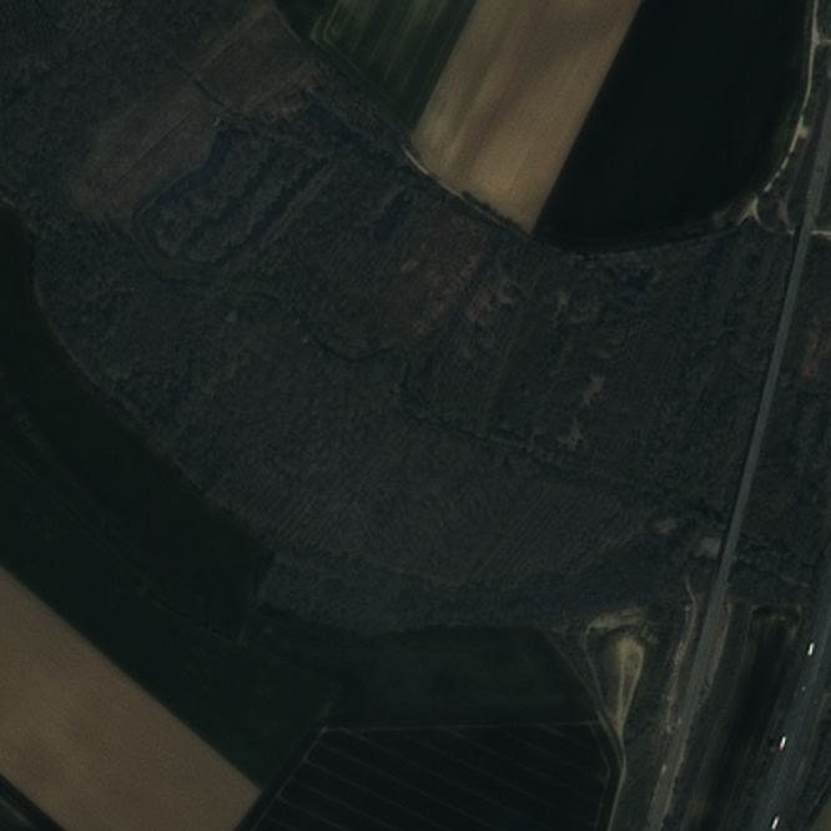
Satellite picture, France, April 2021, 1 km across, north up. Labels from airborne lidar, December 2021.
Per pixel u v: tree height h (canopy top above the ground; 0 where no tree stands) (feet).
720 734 0
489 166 0
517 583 88
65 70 86
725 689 0
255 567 0
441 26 0
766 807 0
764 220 43
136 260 75
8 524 0
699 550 0
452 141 0
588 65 0
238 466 94
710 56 0
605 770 0
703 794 0
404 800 0
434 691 0
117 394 24
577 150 0
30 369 0
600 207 0
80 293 37
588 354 21
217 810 0
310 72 0
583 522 100
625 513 110
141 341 69
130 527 0
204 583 0
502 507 100
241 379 50
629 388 40
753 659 0
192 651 0
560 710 0
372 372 115
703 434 31
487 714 0
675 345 38
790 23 0
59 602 0
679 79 0
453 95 0
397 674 0
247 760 0
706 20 0
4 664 0
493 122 0
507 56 0
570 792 0
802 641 37
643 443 49
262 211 84
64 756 0
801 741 0
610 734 0
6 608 0
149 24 83
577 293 26
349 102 85
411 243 33
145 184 0
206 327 51
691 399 93
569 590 60
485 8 0
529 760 0
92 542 0
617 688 0
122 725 0
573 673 0
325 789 0
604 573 63
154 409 53
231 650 0
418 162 0
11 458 0
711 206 0
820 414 22
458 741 0
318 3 0
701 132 0
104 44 31
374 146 26
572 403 38
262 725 0
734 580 30
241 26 0
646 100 0
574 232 0
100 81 60
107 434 0
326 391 52
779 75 0
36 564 0
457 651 0
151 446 44
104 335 65
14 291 0
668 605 27
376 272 111
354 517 81
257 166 83
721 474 95
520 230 31
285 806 0
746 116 0
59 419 0
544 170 0
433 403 70
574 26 0
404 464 27
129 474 0
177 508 0
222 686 0
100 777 0
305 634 0
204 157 0
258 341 101
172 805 0
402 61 0
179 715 0
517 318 74
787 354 26
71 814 0
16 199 58
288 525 102
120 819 0
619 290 48
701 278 38
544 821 0
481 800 0
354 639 0
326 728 0
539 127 0
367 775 0
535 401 25
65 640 0
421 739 0
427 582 57
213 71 0
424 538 116
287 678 0
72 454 0
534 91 0
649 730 22
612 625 0
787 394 24
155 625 0
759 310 58
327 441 30
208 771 0
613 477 73
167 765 0
